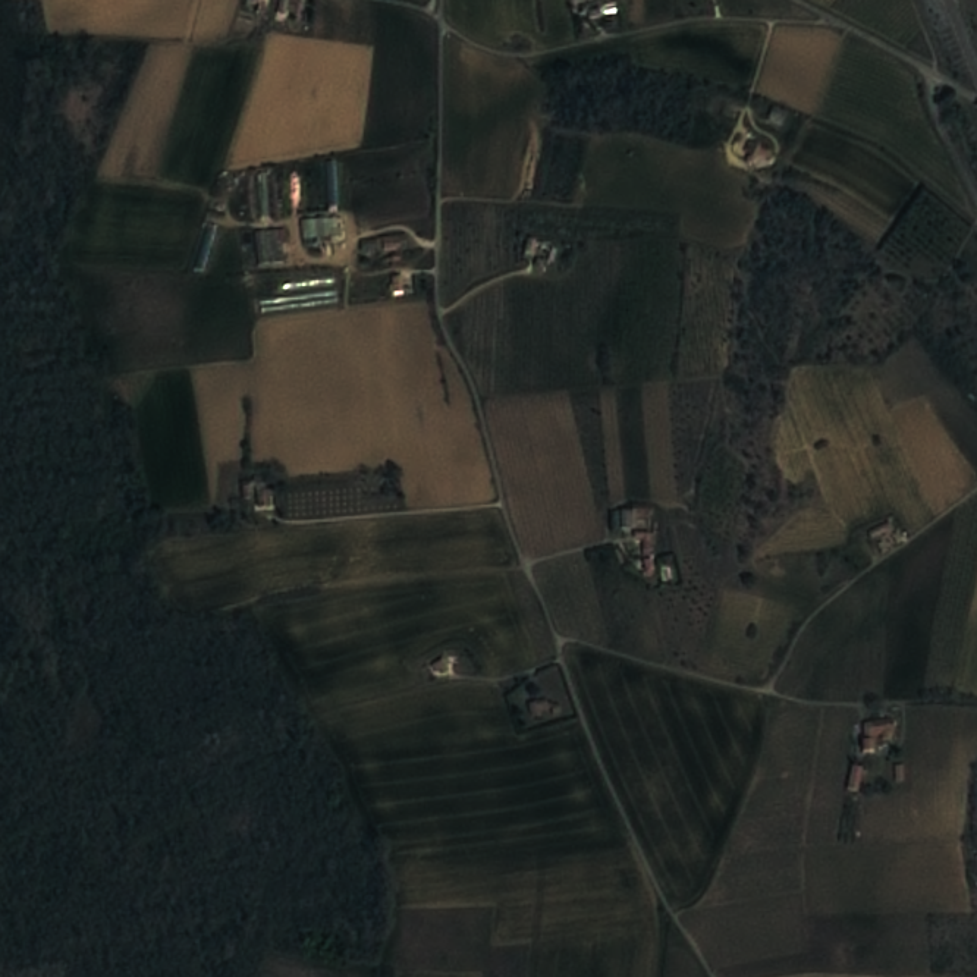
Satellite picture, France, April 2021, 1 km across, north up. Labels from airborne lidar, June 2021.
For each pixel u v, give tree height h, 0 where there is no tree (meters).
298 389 0
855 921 0
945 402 0
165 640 16
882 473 0
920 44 0
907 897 0
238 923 12
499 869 0
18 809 12
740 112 0
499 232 0
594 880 0
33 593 27
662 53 0
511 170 0
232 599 0
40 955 20
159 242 0
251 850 14
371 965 28
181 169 0
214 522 14
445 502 0
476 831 0
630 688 0
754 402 5
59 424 13
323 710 0
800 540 0
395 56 0
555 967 0
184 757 18
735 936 0
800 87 0
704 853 0
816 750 0
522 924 0
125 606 17
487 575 0
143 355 0
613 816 0
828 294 8
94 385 9
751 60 0
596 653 0
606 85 14
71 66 15
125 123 0
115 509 13
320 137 0
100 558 12
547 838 0
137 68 7
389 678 0
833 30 0
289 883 17
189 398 0
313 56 0
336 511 0
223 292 0
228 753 7
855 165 0
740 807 0
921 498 0
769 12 0
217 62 0
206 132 0
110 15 0
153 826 19
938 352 7
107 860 10
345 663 0
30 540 14
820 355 8
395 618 0
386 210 0
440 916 0
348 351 0
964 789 0
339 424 0
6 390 15
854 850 0
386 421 0
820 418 0
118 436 16
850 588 0
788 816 0
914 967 0
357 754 0
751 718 0
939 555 0
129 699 13
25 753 15
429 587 0
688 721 0
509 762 0
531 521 0
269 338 0
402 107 0
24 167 20
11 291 25
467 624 0
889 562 0
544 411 0
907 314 8
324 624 0
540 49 0
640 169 0
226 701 19
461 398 0
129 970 13
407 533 0
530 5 0
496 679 0
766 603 0
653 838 0
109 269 0
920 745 0
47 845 15
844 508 0
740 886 0
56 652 24
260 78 0
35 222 15
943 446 0
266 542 0
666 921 0
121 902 16
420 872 0
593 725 0
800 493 7
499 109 0
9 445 15
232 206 0
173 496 0
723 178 0
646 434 0
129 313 0
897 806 0
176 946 18
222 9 0
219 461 0
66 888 22
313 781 16
